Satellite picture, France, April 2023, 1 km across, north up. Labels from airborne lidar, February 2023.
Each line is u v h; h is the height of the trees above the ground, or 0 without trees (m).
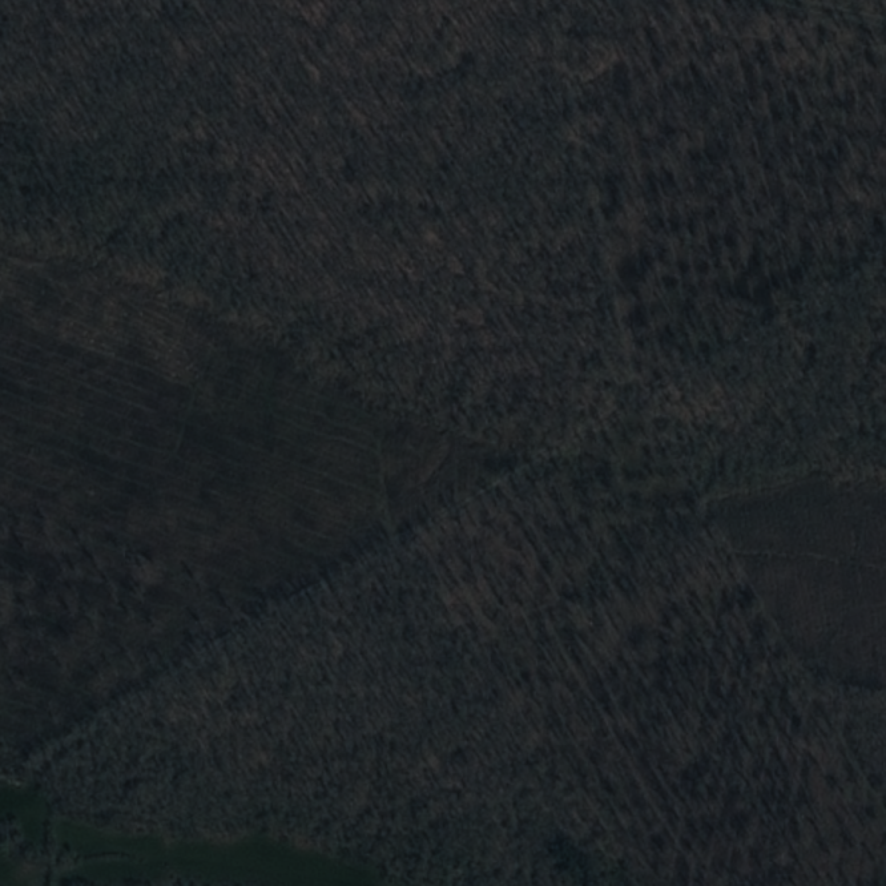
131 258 35
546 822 23
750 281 25
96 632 34
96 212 33
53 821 16
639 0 37
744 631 33
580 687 0
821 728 0
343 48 32
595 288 33
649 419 25
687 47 36
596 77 33
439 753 33
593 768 0
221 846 0
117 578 0
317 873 0
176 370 38
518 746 33
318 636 36
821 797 0
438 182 33
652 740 36
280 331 30
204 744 29
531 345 37
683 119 34
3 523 0
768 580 6
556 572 36
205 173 35
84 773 17
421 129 36
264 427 0
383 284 33
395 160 34
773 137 34
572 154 32
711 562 37
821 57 33
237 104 36
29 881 0
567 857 29
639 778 33
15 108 30
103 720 26
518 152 33
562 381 33
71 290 30
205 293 36
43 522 34
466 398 36
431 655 32
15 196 32
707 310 31
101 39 36
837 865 34
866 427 22
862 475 29
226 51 36
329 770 32
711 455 28
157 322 33
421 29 33
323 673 33
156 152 33
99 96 31
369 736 34
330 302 34
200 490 0
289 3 37
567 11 36
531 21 37
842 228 31
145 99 36
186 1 37
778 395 28
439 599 37
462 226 37
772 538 6
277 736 27
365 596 36
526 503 33
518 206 34
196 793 12
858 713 19
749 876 0
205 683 30
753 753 36
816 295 25
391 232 35
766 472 27
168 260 32
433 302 34
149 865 0
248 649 32
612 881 16
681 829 33
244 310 30
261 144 33
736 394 29
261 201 32
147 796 25
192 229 33
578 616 33
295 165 36
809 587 6
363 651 32
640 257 0
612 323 33
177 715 29
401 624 33
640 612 35
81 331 35
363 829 31
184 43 36
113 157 32
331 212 34
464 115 16
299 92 32
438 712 32
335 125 34
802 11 32
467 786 32
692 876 28
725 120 33
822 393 29
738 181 37
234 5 36
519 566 0
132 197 33
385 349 30
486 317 35
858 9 30
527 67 32
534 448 33
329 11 32
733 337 28
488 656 35
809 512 6
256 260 32
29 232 32
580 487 9
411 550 31
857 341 25
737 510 6
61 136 33
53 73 34
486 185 32
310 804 28
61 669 29
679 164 37
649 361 30
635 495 26
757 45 34
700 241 33
